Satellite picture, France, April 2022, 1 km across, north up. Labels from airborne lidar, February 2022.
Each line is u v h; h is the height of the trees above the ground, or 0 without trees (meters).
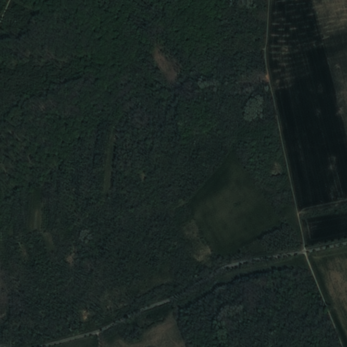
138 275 22
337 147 0
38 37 29
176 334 0
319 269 0
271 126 7
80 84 29
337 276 0
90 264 26
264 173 9
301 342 18
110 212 11
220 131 19
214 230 0
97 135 21
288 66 0
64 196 25
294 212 0
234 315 31
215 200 0
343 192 0
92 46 28
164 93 31
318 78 0
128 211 20
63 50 27
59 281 13
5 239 7
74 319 22
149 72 26
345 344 0
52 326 22
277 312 23
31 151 29
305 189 0
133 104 32
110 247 20
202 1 24
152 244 19
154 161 22
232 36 5
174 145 16
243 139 5
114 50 22
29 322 26
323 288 0
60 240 16
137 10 19
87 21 27
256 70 22
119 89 25
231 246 0
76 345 0
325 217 0
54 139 26
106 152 20
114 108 27
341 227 0
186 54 28
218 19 14
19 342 21
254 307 30
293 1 0
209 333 22
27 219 17
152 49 29
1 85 10
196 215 0
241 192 0
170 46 31
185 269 21
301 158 0
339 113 0
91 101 27
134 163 21
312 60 0
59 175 20
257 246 0
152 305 0
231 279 0
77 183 22
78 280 21
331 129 0
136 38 19
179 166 23
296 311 17
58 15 29
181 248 11
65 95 27
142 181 19
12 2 0
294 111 0
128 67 20
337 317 0
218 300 23
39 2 23
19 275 15
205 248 0
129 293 0
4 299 0
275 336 24
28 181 27
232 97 22
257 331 23
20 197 27
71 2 27
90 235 18
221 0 23
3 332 22
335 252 0
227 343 25
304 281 13
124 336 11
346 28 0
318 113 0
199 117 22
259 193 0
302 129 0
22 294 20
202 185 16
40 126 27
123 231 24
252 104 9
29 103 24
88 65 25
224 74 21
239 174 0
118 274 18
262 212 0
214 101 25
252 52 20
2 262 7
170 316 0
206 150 18
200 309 24
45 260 12
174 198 17
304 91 0
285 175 13
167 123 18
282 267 0
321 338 23
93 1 30
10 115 25
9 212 24
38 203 0
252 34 14
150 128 28
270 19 0
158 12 23
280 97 0
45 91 23
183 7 25
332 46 0
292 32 0
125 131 22
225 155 7
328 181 0
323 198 0
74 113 27
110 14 26
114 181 15
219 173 0
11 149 28
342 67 0
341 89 0
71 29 25
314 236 0
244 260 23
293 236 29
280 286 28
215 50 25
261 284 33
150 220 6
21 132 27
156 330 0
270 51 0
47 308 14
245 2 35
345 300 0
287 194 18
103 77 26
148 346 0
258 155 6
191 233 0
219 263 23
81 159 20
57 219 18
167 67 0
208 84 29
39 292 19
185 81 28
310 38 0
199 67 26
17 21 9
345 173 0
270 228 0
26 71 8
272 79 0
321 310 29
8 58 27
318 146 0
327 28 0
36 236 15
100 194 13
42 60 25
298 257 10
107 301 0
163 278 0
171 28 28
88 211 24
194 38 23
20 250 19
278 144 8
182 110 22
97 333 0
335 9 0
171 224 15
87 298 26
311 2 0
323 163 0
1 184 26
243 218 0
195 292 23
